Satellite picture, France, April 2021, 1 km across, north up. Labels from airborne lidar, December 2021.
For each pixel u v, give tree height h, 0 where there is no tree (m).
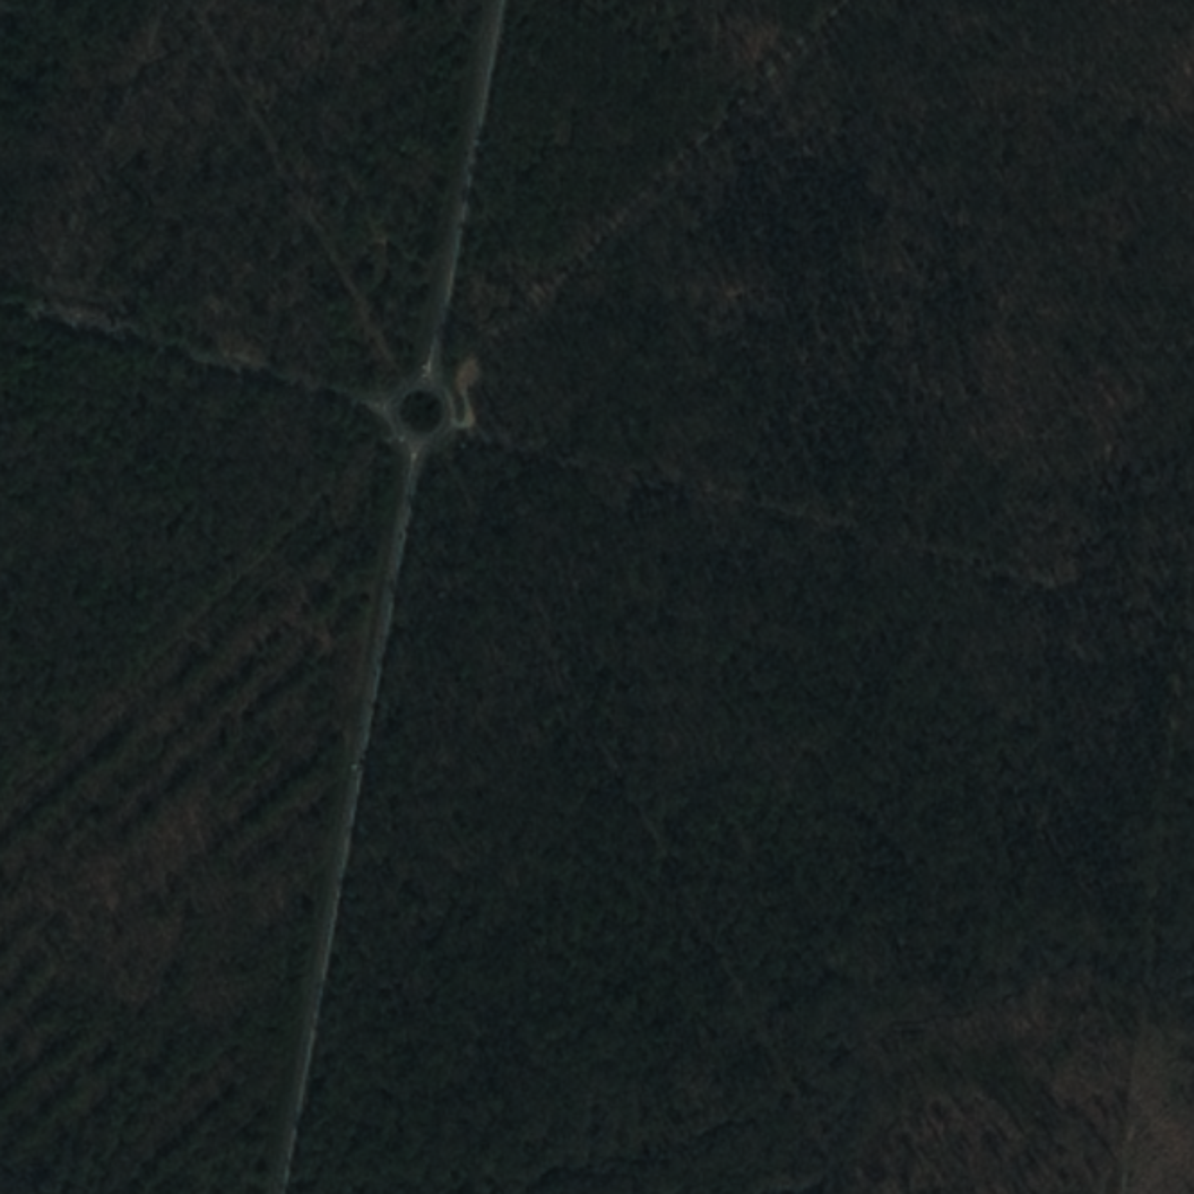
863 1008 26
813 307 26
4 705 22
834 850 18
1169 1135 0
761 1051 23
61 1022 18
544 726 30
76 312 0
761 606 21
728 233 26
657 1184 18
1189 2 19
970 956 20
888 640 23
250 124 24
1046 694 26
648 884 20
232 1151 21
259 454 24
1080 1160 0
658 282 26
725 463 24
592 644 27
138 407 25
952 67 25
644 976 20
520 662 22
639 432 26
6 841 18
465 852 26
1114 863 25
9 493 20
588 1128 27
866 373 26
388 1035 22
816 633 27
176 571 20
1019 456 28
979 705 24
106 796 8
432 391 0
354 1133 20
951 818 21
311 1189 27
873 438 25
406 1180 29
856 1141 19
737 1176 10
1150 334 30
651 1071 22
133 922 20
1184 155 24
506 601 24
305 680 17
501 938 25
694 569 26
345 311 20
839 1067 22
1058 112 14
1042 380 27
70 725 22
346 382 22
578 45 11
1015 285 30
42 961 19
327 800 9
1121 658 22
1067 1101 0
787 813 22
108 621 20
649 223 27
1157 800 14
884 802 22
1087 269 25
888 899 23
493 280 14
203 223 26
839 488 27
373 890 20
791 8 13
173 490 21
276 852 20
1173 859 24
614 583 24
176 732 8
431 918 27
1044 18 25
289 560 7
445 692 26
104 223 22
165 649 10
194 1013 17
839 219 16
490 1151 27
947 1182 25
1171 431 30
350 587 20
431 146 15
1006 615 25
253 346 26
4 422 15
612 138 14
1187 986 19
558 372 26
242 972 17
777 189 23
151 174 25
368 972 21
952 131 22
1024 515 25
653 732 24
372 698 0
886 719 22
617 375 26
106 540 23
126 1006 17
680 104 12
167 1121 17
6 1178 20
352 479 16
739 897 21
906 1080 22
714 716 27
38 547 24
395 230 15
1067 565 26
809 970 25
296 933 19
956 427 31
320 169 25
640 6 10
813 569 24
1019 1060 23
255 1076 19
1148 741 24
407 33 12
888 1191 26
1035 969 25
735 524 25
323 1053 12
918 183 29
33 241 26
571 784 19
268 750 23
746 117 28
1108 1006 26
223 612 15
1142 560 25
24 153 22
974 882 26
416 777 24
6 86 20
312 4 24
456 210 0
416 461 0
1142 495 26
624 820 24
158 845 19
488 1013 26
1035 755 19
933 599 23
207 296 24
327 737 15
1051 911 23
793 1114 22
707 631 28
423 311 9
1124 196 14
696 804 24
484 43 0
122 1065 15
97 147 20
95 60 21
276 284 24
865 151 21
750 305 7
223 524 19
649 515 28
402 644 21
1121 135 27
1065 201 15
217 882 21
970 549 23
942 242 26
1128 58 22
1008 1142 26
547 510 24
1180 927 27
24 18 21
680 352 26
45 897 17
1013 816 23
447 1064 22
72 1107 16
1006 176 27
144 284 21
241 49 25
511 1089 24
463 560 24
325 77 7
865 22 26
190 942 18
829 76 27
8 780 22
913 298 25
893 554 27
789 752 26
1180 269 30
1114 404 30
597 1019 27
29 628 24
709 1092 22
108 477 22
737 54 20
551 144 9
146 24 24
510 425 25
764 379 22
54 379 19
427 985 24
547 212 11
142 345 17
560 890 25
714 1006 24
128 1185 12
